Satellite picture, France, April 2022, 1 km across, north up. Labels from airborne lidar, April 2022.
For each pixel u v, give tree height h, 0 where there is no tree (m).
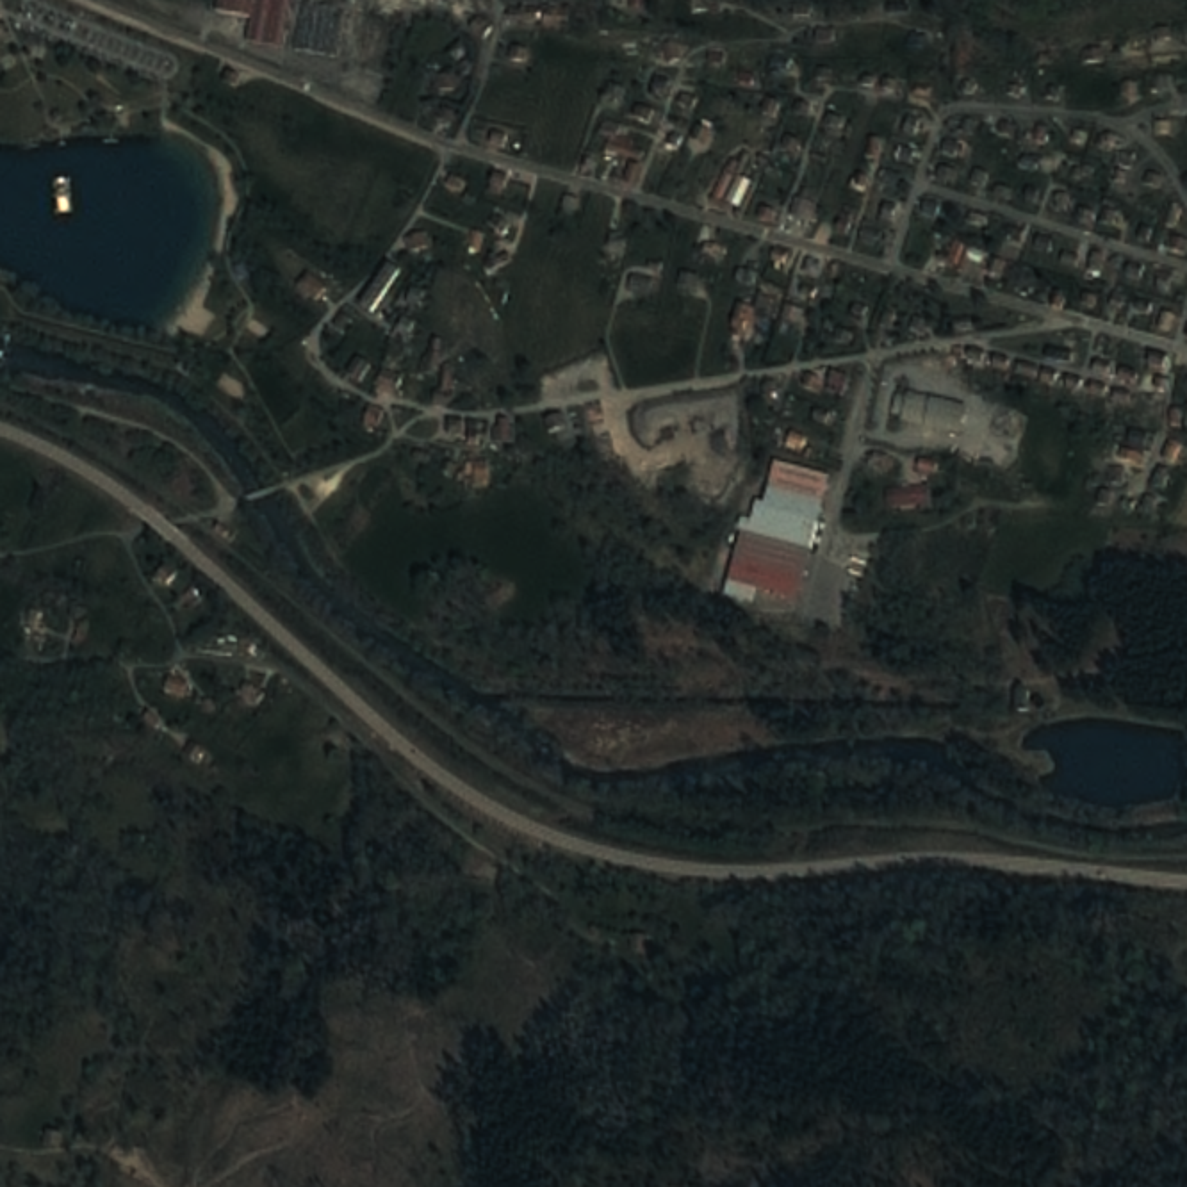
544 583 0
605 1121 19
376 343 0
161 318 0
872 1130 6
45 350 14
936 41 0
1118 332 0
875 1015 14
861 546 0
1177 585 26
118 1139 0
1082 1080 31
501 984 0
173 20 0
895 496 0
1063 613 26
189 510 0
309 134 0
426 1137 0
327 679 0
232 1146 0
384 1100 0
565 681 10
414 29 7
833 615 0
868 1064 21
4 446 0
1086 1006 5
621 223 0
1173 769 0
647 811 16
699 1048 18
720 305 0
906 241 0
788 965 18
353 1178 0
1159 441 0
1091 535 0
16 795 8
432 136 0
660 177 0
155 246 0
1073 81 0
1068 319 0
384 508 0
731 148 0
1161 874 0
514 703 13
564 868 14
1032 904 10
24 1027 8
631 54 0
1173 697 25
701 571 0
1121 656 0
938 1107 17
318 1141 0
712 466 0
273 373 10
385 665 23
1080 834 21
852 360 0
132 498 0
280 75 0
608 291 8
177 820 23
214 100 10
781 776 34
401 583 0
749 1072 13
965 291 0
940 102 0
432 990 17
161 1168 0
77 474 0
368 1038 0
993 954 8
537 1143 21
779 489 0
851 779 18
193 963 13
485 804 0
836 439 0
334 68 0
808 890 10
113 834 0
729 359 10
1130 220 6
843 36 0
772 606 0
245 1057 14
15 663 12
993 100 0
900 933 31
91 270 0
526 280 0
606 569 23
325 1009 22
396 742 0
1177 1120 23
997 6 22
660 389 0
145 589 0
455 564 15
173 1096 0
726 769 0
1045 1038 6
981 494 0
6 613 0
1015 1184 7
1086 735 0
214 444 0
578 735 0
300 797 0
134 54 0
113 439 6
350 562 0
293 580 22
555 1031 27
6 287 0
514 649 22
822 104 0
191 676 0
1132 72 0
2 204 0
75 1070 0
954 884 20
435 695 22
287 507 14
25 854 19
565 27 12
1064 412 11
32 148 0
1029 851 0
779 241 0
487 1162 27
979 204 0
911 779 29
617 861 0
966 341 0
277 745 0
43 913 21
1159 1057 27
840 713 18
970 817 18
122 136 0
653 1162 6
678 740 0
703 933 0
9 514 0
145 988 0
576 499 8
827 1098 18
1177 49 0
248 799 0
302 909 12
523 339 0
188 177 0
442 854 25
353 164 0
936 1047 14
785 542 0
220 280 11
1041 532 0
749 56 0
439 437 0
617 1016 16
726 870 0
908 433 0
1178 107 0
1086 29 0
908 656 23
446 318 0
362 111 0
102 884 16
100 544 0
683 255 0
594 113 0
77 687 10
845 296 0
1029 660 0
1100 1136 39
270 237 0
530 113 0
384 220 0
